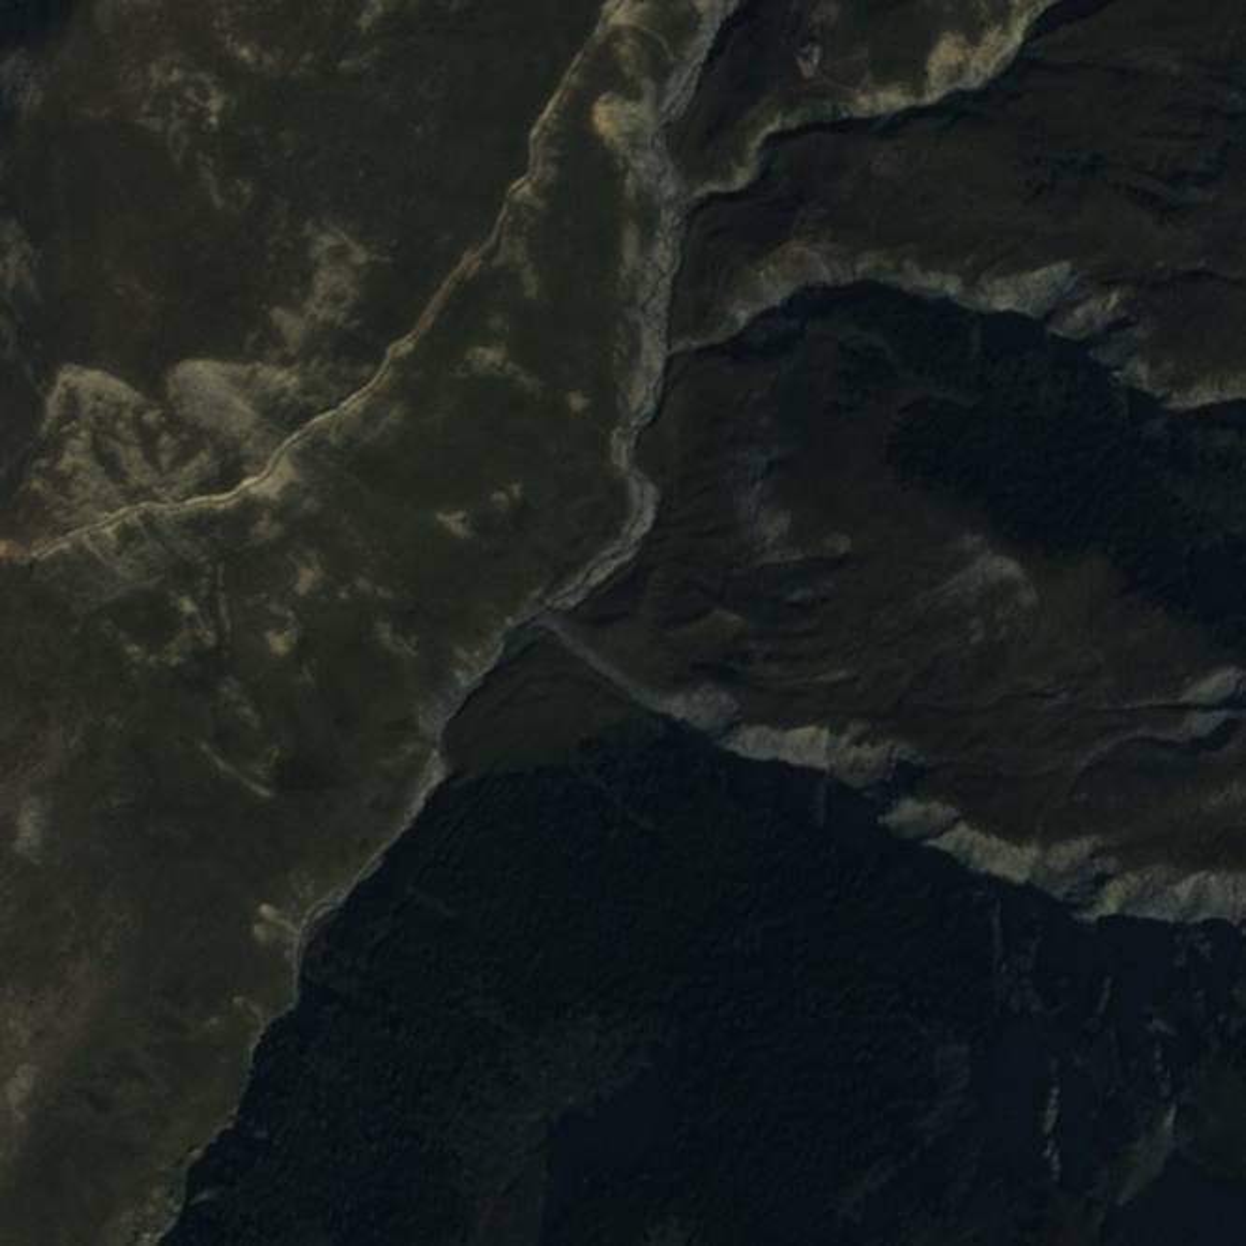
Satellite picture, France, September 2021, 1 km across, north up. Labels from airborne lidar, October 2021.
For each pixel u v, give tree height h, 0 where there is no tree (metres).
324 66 0
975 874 0
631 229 0
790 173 0
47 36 0
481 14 0
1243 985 0
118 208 0
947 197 0
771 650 0
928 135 0
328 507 0
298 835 0
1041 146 0
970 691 0
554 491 0
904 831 0
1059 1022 0
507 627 0
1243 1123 0
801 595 0
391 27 0
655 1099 0
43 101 0
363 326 0
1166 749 0
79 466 0
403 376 0
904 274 0
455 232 0
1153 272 0
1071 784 0
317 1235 0
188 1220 7
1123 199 0
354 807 0
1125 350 0
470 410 0
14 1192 0
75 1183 0
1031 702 0
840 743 0
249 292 0
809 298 0
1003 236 0
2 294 0
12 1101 0
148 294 0
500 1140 0
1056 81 0
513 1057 0
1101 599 0
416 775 0
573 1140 0
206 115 0
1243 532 0
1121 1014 0
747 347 0
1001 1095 0
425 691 0
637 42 0
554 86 0
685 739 0
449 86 0
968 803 0
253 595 0
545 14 0
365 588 0
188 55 0
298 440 0
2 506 0
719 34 0
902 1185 0
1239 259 0
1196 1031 0
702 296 0
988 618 0
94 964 0
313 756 0
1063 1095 0
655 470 0
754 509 0
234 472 0
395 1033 9
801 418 0
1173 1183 0
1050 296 0
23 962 0
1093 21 0
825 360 0
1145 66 0
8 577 0
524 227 0
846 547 0
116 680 0
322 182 0
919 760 0
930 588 0
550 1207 0
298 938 0
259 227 0
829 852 8
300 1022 0
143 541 0
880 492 0
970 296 0
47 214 0
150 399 0
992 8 0
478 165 0
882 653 0
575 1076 0
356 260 0
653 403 0
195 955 0
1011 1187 0
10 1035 0
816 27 0
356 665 0
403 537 0
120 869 0
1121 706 0
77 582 0
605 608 0
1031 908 0
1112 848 0
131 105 0
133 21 0
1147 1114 0
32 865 0
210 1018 0
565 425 0
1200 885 0
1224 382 0
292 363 0
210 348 0
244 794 0
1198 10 0
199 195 0
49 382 0
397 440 0
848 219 0
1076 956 0
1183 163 0
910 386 0
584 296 0
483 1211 0
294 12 0
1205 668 0
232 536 0
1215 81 0
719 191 0
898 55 0
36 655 0
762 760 0
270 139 0
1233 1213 0
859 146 0
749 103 0
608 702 0
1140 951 0
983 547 0
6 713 0
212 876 0
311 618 0
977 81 0
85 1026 0
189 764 0
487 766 0
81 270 0
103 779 0
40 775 0
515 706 0
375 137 0
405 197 0
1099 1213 0
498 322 0
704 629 0
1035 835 0
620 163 0
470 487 0
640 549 0
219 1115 0
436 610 0
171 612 0
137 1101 0
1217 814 0
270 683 0
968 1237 0
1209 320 0
